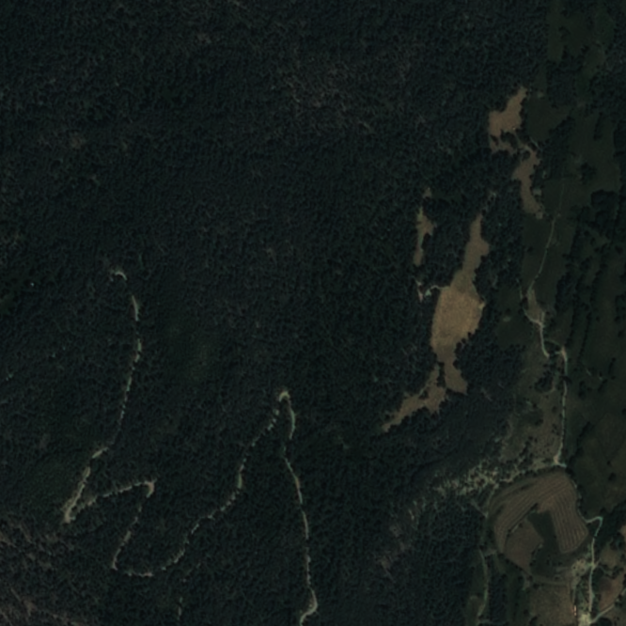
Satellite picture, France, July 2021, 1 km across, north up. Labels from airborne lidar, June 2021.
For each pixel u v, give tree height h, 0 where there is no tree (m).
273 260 15
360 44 19
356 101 23
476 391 15
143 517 22
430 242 14
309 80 21
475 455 13
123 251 19
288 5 14
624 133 19
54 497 10
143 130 13
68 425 10
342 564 18
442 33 19
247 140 16
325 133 20
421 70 20
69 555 19
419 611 18
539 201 8
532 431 0
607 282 0
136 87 23
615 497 0
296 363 25
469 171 30
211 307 16
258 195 14
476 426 15
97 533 15
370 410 24
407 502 16
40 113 26
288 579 15
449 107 19
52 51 19
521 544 0
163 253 16
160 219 18
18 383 18
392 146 23
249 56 22
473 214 22
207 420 17
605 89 15
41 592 16
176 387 14
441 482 11
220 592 12
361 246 7
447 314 0
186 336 12
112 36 28
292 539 17
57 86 14
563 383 9
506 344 0
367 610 18
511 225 22
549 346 8
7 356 16
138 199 30
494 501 0
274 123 7
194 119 24
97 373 20
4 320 13
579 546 0
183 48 21
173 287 9
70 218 25
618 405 0
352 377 27
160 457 20
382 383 17
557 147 15
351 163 23
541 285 0
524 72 16
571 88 17
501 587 9
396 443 17
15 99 14
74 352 21
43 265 15
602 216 13
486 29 15
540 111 0
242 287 16
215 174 16
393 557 18
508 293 0
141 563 19
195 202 17
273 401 18
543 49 16
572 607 0
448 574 23
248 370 14
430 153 21
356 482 10
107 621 28
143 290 18
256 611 12
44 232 23
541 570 0
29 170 24
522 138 12
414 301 20
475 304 0
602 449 0
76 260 23
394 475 19
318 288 23
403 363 17
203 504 19
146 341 18
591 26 12
